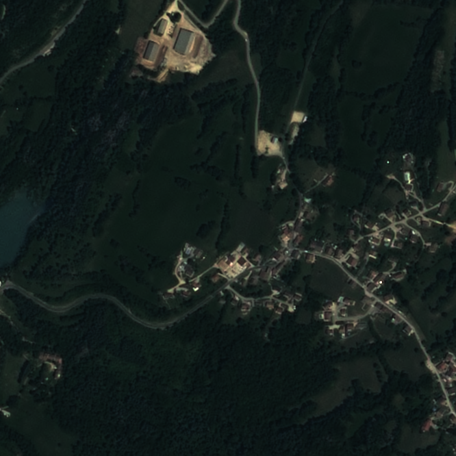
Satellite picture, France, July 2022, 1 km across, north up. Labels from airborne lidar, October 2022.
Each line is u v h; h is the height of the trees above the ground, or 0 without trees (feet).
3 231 0
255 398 26
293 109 0
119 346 24
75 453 33
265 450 43
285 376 24
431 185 39
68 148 23
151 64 0
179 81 0
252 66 0
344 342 0
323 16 58
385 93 69
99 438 27
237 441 85
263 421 56
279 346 51
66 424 28
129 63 54
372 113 23
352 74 0
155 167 0
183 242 0
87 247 37
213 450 23
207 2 0
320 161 68
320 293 22
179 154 0
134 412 31
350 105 0
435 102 82
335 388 0
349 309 0
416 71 26
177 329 38
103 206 0
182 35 0
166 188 0
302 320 0
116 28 37
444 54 0
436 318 0
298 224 0
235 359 59
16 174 50
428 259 0
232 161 0
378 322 0
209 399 45
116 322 18
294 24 37
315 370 71
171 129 0
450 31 0
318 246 0
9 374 0
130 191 0
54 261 0
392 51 0
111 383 48
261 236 0
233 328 38
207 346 44
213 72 0
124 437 59
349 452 44
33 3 64
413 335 0
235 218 0
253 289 32
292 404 26
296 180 51
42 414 0
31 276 40
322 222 0
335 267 0
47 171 59
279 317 0
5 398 0
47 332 68
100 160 82
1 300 0
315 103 56
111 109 77
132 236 0
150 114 77
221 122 0
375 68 0
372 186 45
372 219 34
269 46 20
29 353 31
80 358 25
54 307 0
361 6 0
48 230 68
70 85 79
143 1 0
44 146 65
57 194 21
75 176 37
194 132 0
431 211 0
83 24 36
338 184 0
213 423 73
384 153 52
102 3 38
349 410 86
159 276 0
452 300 0
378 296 21
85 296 0
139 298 20
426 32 42
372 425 94
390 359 0
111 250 0
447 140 0
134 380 27
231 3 0
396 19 0
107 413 84
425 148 49
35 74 0
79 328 53
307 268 0
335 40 17
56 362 36
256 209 0
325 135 0
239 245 0
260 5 28
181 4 0
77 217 59
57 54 50
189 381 56
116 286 20
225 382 52
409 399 46
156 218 0
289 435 94
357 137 0
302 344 27
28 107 66
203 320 42
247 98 50
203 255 0
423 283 22
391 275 20
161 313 53
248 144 0
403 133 45
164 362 21
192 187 42
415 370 0
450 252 0
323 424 75
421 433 26
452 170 0
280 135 0
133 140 0
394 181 20
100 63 51
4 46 32
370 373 0
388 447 47
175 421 20
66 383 52
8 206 0
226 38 38
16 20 51
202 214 0
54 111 55
